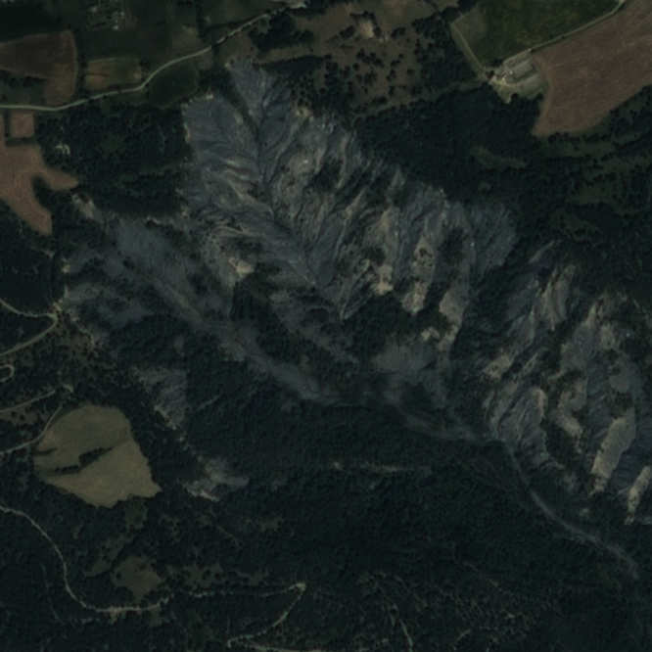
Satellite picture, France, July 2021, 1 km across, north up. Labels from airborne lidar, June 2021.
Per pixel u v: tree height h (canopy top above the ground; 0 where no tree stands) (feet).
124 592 38
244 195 0
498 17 0
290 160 0
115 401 31
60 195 18
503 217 0
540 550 19
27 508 46
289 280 0
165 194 32
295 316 0
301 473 52
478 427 40
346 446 51
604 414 0
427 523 32
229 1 0
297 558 45
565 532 54
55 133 29
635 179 37
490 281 44
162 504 41
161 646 50
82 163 38
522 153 62
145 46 0
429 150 47
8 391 33
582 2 0
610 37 0
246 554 48
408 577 48
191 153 23
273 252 0
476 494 26
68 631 52
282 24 45
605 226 41
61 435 0
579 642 58
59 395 34
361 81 26
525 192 53
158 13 0
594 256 45
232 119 0
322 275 0
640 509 21
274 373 0
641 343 28
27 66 0
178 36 0
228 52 0
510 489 61
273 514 30
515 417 0
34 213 0
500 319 21
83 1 0
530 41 0
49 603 46
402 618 37
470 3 46
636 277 52
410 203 0
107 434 0
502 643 36
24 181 0
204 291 38
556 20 0
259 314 20
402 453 40
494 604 47
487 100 56
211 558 35
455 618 49
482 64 0
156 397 29
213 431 32
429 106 33
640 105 0
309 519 26
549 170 30
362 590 44
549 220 34
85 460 23
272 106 0
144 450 35
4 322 30
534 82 0
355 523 50
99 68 0
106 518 41
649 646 52
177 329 26
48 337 30
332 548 72
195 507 35
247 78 0
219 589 37
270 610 33
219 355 21
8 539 45
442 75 32
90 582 34
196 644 18
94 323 19
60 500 30
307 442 57
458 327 0
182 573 26
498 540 26
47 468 0
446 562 51
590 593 46
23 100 0
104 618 38
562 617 47
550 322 0
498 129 59
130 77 0
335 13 0
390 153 31
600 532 55
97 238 58
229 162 0
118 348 46
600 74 0
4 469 30
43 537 32
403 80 0
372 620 26
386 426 56
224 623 39
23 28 0
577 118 0
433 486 48
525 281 0
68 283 34
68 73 0
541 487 59
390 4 0
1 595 51
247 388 55
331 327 24
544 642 39
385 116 37
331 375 38
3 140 0
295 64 37
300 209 0
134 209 70
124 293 43
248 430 52
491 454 47
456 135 69
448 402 25
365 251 24
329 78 46
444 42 27
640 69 0
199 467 39
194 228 0
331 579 33
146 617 36
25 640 34
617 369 23
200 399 47
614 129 31
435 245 0
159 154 39
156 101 0
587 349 0
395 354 0
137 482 0
